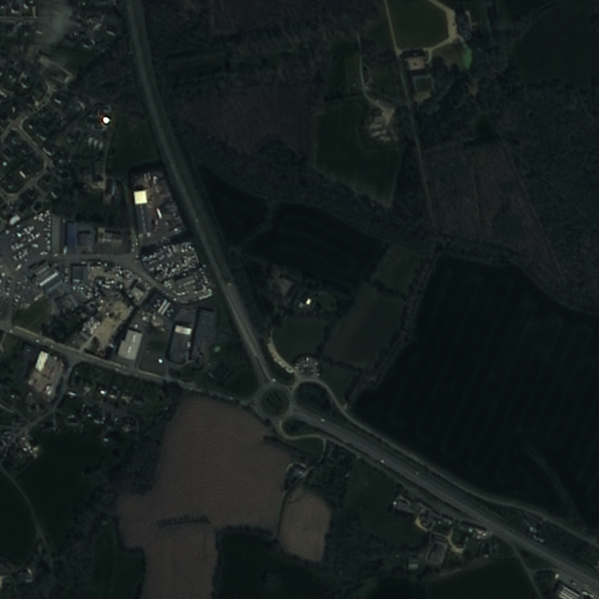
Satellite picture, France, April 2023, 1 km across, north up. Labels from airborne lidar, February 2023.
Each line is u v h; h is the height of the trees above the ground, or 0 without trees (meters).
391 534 0
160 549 0
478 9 0
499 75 13
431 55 0
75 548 30
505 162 16
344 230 0
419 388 0
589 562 0
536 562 0
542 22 0
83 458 0
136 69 11
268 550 13
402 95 13
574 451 0
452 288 0
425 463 0
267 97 16
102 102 15
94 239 0
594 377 0
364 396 0
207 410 0
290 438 0
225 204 0
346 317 0
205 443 0
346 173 0
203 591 0
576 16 0
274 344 0
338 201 16
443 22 0
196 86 6
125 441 0
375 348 0
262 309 0
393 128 0
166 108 8
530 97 18
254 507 0
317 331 0
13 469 14
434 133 17
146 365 0
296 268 0
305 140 13
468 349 0
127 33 7
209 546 0
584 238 15
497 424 0
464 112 13
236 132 17
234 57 16
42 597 17
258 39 26
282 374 6
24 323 0
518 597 0
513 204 10
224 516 0
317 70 23
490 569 0
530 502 0
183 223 9
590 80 0
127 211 14
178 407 13
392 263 0
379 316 0
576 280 16
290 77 20
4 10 0
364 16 23
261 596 0
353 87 0
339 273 0
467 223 16
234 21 13
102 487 27
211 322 0
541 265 15
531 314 0
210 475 0
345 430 0
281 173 17
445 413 0
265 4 15
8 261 0
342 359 0
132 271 0
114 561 0
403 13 0
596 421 0
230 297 0
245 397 0
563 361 0
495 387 0
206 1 21
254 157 17
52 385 0
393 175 0
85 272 0
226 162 15
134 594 0
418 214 23
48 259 0
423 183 14
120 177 0
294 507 0
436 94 11
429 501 0
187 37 11
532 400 0
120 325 0
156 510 0
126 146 0
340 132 0
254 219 0
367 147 0
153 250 12
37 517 0
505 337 0
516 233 7
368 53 23
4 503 0
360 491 0
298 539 0
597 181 13
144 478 27
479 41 15
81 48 0
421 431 0
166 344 0
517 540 0
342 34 29
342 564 8
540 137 18
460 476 0
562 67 0
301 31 25
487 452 0
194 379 0
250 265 0
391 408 0
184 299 0
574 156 17
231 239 0
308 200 9
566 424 0
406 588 0
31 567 10
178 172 0
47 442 0
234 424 0
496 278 0
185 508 0
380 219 17
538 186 11
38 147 0
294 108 16
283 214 0
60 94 8
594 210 14
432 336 0
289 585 0
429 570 12
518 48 0
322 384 0
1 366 9
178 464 0
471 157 12
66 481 0
